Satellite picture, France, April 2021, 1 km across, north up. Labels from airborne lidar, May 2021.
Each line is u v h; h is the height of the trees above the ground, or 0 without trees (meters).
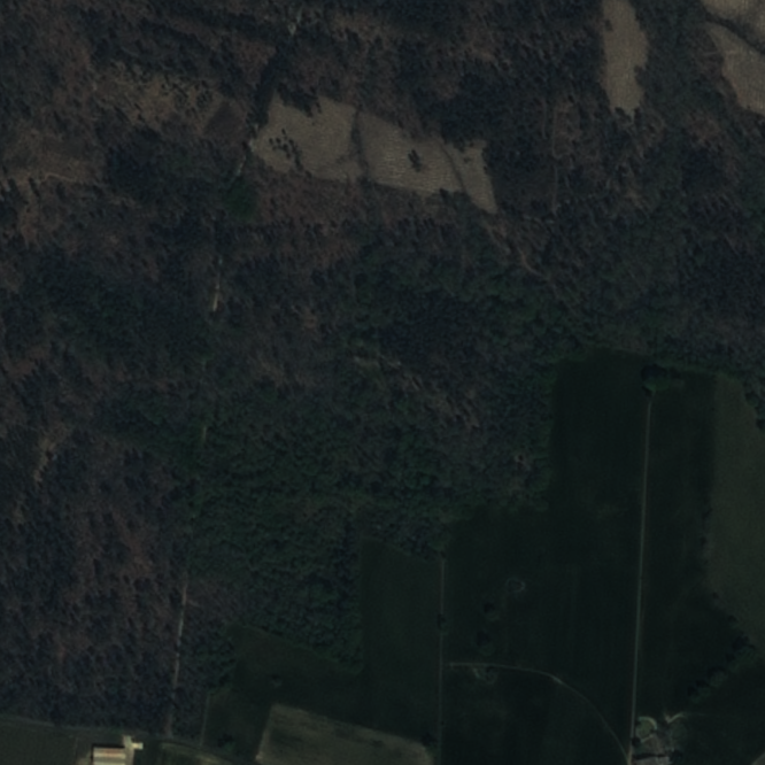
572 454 0
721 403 0
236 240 24
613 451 0
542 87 19
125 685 13
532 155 13
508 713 0
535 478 15
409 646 0
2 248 21
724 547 0
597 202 12
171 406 12
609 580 0
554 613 0
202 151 11
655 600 0
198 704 6
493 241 14
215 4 27
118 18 16
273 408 13
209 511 9
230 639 0
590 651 0
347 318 21
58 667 14
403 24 21
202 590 11
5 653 11
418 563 0
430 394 13
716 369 11
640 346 17
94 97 8
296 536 10
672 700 0
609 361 0
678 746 0
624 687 0
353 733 0
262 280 16
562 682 0
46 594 17
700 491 0
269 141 0
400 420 25
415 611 0
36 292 21
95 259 14
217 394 16
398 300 25
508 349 22
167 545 13
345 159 0
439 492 19
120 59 13
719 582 0
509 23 23
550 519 0
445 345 25
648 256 21
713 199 13
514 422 24
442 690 0
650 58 10
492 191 0
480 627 0
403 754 0
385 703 0
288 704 0
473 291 24
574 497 0
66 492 23
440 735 0
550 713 0
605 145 13
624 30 0
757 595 0
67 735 0
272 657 0
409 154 0
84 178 0
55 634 8
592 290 19
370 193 18
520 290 29
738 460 0
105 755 0
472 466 17
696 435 0
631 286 20
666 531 0
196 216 18
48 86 13
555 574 0
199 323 22
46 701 10
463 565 0
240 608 9
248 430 15
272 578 10
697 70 15
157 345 27
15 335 26
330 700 0
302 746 0
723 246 13
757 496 0
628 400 0
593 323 16
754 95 0
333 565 10
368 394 26
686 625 0
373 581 0
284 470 11
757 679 0
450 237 19
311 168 0
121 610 22
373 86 6
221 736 0
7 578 9
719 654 0
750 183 19
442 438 14
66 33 9
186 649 15
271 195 11
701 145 17
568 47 17
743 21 0
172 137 11
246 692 0
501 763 0
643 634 0
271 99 15
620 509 0
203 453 18
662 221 19
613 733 0
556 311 26
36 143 0
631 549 0
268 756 0
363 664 17
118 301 25
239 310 23
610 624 0
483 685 0
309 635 16
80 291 23
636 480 0
